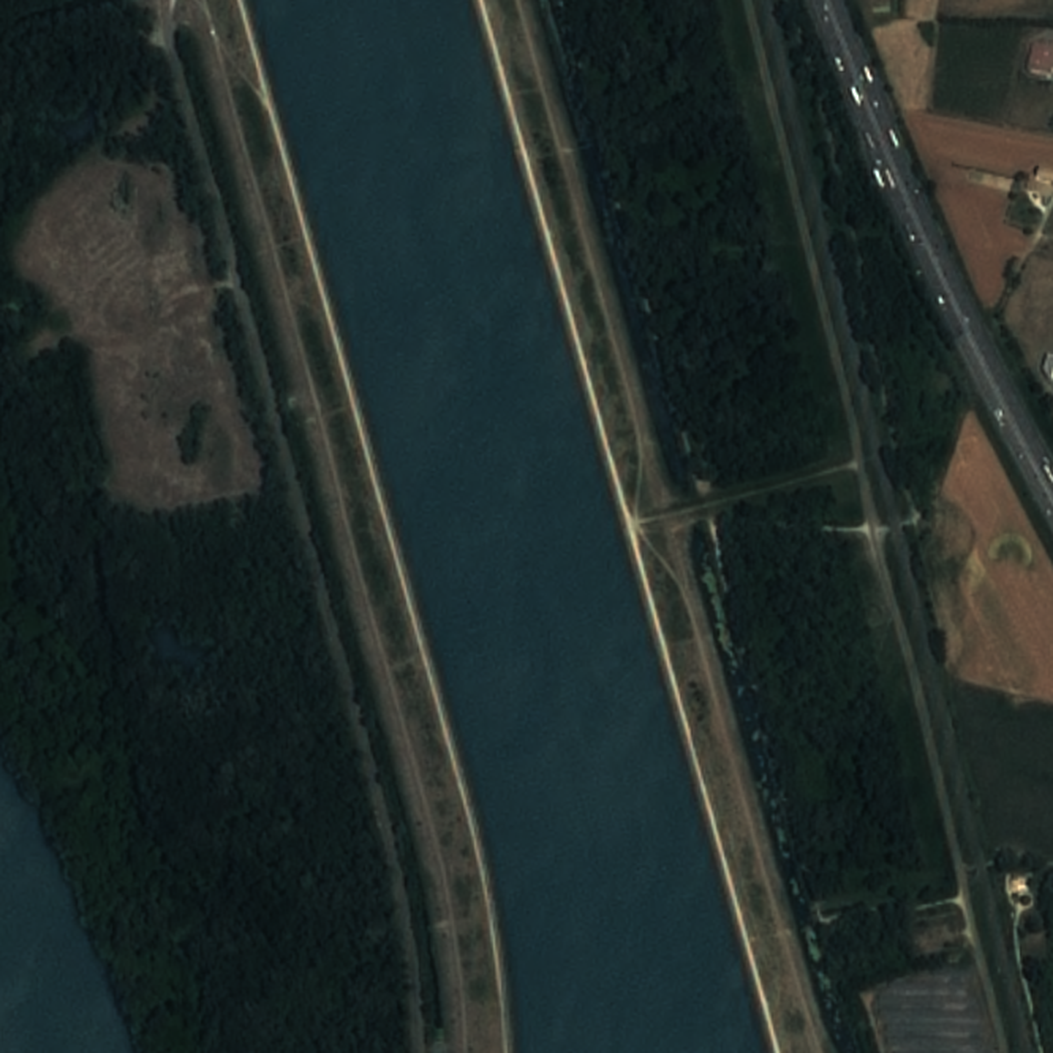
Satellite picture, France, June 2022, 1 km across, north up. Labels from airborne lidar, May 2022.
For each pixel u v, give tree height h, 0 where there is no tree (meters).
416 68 0
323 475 0
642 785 0
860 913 18
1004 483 0
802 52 13
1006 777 0
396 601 0
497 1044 0
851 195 11
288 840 31
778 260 14
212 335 0
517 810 0
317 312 0
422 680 0
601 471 0
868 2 0
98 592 7
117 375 0
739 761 0
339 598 12
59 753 15
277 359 7
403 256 0
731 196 20
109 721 14
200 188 21
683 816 0
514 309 0
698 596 0
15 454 27
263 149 0
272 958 18
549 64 0
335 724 17
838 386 0
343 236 0
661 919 0
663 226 9
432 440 0
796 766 21
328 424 0
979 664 0
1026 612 0
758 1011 0
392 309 0
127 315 0
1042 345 0
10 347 28
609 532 0
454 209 0
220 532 9
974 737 0
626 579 0
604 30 26
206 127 6
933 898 12
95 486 18
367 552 0
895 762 22
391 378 0
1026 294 0
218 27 0
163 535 23
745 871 0
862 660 8
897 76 0
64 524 31
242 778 29
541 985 0
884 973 7
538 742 0
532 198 0
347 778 27
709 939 0
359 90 0
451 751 0
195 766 24
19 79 21
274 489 22
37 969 0
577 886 0
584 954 0
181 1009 27
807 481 0
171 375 0
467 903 0
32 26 22
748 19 0
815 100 9
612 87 8
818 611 27
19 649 34
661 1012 0
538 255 0
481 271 0
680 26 23
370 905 27
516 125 0
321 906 23
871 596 0
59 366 18
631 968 0
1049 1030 8
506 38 0
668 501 0
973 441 0
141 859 19
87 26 27
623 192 25
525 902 0
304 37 0
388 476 0
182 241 0
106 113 25
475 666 0
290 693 22
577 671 0
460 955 0
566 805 0
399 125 0
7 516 16
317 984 21
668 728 0
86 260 0
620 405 0
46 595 29
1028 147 0
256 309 10
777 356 22
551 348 0
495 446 0
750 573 25
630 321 0
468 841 0
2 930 0
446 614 0
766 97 0
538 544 0
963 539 0
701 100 29
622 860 0
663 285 23
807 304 0
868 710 24
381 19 0
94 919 12
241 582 22
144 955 17
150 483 0
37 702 23
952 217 0
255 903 35
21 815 0
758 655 21
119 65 27
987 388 0
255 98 0
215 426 0
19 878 0
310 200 0
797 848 7
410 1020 22
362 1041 24
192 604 26
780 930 0
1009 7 0
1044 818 0
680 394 21
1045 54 0
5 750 18
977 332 0
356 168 0
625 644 0
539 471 0
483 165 0
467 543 0
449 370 0
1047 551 0
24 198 16
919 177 7
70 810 17
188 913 21
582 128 0
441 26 0
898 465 17
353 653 7
